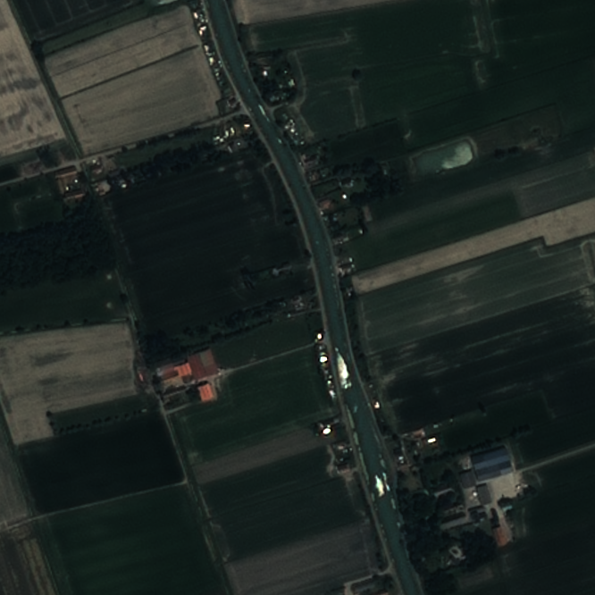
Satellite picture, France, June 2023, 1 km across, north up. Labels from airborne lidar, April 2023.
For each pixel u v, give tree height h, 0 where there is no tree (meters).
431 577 7
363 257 0
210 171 0
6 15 0
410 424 0
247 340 0
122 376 0
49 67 0
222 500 0
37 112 0
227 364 0
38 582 0
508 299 0
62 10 0
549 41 0
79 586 0
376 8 0
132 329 0
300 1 0
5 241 26
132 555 0
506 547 0
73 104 0
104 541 0
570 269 0
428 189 0
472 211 0
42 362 0
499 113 0
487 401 0
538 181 0
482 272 0
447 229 0
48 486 0
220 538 0
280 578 0
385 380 0
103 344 0
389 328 0
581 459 0
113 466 0
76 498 0
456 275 0
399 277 0
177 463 0
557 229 0
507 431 0
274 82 13
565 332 0
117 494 0
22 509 0
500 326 0
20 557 0
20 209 0
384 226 0
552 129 0
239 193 0
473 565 12
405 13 0
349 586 0
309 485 0
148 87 0
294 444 0
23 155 0
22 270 24
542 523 0
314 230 0
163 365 0
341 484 0
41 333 0
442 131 0
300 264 0
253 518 0
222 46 0
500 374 0
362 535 0
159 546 0
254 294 0
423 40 0
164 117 0
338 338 0
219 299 0
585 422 0
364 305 0
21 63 0
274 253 0
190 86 0
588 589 0
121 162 0
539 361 0
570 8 0
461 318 0
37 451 0
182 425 0
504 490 0
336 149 0
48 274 19
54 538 0
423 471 10
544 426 0
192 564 0
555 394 0
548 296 0
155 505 0
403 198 0
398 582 0
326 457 0
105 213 0
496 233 0
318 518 0
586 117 0
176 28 0
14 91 0
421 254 0
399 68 0
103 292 0
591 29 0
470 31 0
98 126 0
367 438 0
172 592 0
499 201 0
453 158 0
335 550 0
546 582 0
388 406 0
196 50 0
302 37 0
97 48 0
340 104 0
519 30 0
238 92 0
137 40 0
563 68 0
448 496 9
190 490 0
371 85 0
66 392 0
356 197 15
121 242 0
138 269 0
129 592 0
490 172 0
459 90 0
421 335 0
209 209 0
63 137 0
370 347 0
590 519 0
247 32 0
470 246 0
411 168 0
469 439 0
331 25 0
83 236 24
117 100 0
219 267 0
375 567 0
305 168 0
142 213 0
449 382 0
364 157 0
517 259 0
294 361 0
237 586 0
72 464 0
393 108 0
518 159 0
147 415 0
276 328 0
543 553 0
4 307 0
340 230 8
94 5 0
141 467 0
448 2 0
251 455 0
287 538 0
